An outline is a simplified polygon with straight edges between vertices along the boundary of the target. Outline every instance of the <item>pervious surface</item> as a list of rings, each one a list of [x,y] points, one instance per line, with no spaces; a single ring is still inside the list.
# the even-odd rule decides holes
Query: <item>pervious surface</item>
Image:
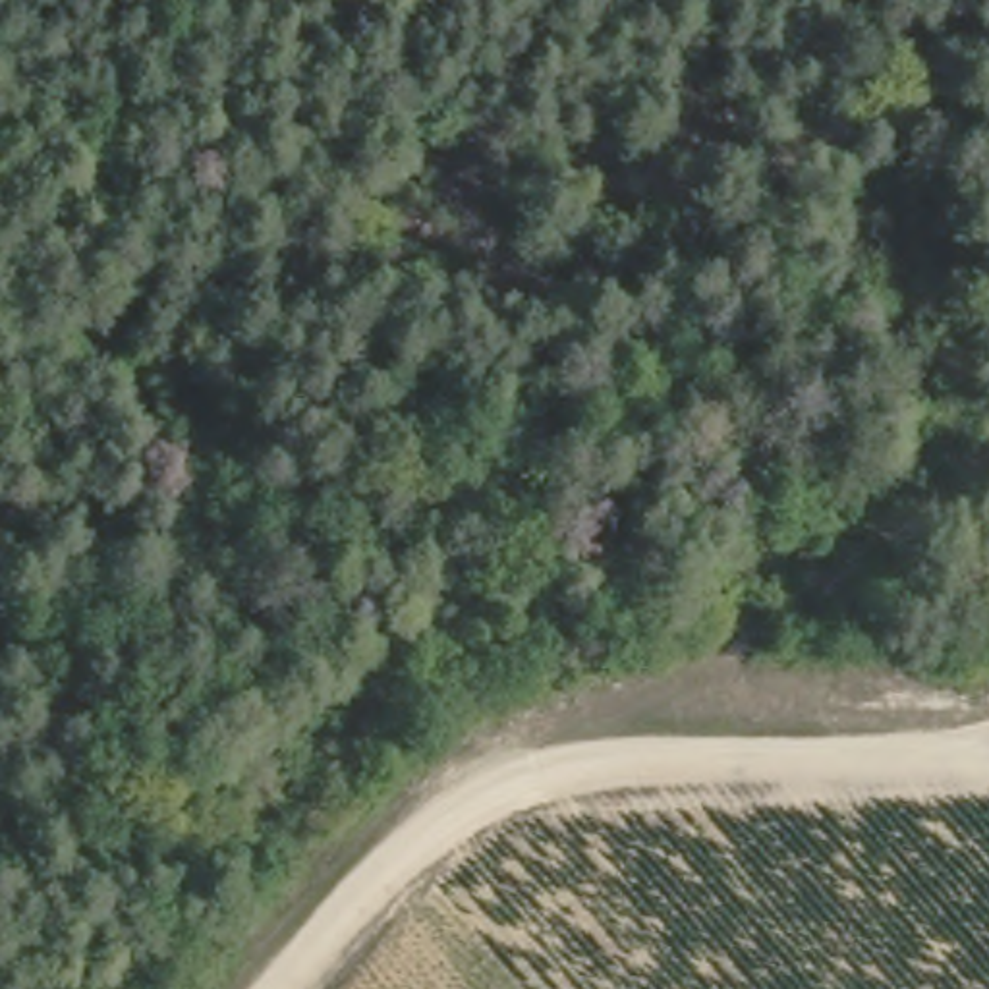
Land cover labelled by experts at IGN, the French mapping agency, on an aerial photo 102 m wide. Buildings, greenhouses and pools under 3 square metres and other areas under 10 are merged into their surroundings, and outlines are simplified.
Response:
[[[321,900],[305,927],[274,954],[274,962],[247,989],[321,989],[325,974],[336,970],[344,947],[379,916],[379,908],[398,889],[410,885],[410,877],[433,865],[440,854],[464,846],[475,831],[498,827],[502,819],[533,804],[568,792],[684,780],[850,777],[865,780],[881,800],[927,804],[989,796],[989,719],[958,730],[900,730],[858,738],[649,734],[568,742],[506,757],[471,757],[464,761],[471,769],[467,780],[437,792],[413,815],[406,815]]]

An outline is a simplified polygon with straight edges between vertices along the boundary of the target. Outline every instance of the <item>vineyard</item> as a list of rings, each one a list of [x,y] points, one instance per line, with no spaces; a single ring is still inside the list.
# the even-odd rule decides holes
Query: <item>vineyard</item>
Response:
[[[684,780],[568,792],[533,804],[502,819],[498,827],[475,831],[464,846],[440,854],[433,865],[410,877],[410,885],[398,889],[379,908],[379,916],[344,947],[336,970],[325,974],[321,989],[989,989],[989,796],[927,804],[881,800],[865,780],[850,777]]]

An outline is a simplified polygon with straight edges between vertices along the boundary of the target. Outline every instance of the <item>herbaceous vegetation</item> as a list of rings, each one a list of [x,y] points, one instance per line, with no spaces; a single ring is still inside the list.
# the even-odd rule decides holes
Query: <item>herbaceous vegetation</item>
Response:
[[[274,919],[259,916],[247,939],[247,958],[224,989],[247,989],[274,962],[274,954],[305,927],[321,900],[406,815],[413,815],[437,792],[467,780],[471,769],[464,761],[471,757],[506,757],[568,742],[649,734],[858,738],[900,730],[958,730],[989,719],[989,684],[966,695],[950,695],[916,688],[900,672],[885,664],[827,668],[823,661],[807,661],[804,668],[784,672],[765,653],[742,661],[726,649],[719,649],[703,664],[684,664],[664,680],[587,672],[572,688],[549,692],[541,707],[522,707],[506,715],[506,726],[498,734],[471,734],[452,761],[437,765],[425,780],[413,780],[359,834],[336,842],[309,869],[309,877],[282,900]]]

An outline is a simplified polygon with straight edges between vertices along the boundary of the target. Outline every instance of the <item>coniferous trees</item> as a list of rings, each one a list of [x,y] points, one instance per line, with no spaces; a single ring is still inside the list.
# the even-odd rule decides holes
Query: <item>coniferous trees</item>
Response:
[[[66,108],[50,104],[42,120],[19,127],[19,143],[0,155],[0,989],[155,989],[174,977],[182,947],[193,931],[232,912],[232,900],[216,885],[228,877],[232,858],[247,858],[251,869],[267,873],[267,846],[201,846],[193,834],[182,834],[178,846],[166,850],[166,865],[155,869],[155,892],[143,904],[143,919],[120,927],[116,885],[112,877],[97,873],[104,854],[97,846],[73,846],[73,831],[85,827],[89,784],[97,777],[89,757],[93,746],[85,738],[93,734],[100,703],[112,703],[127,688],[135,688],[139,661],[151,649],[178,653],[193,645],[193,614],[197,607],[209,610],[216,603],[216,591],[247,626],[263,630],[263,657],[251,668],[259,692],[236,699],[228,684],[209,688],[201,703],[193,703],[178,722],[166,726],[166,769],[174,777],[185,773],[185,765],[193,773],[212,773],[224,761],[224,780],[247,780],[251,788],[243,792],[243,800],[267,807],[282,800],[282,780],[305,777],[317,734],[332,742],[371,738],[386,753],[390,746],[406,749],[421,734],[421,699],[413,688],[417,680],[410,676],[410,661],[417,649],[410,637],[429,622],[444,637],[460,641],[460,649],[475,664],[510,649],[506,607],[487,599],[487,556],[495,541],[502,541],[525,518],[556,506],[556,537],[568,545],[572,572],[560,572],[541,595],[529,599],[529,618],[549,618],[560,630],[560,637],[568,637],[587,618],[591,591],[599,583],[607,583],[607,591],[626,610],[634,610],[645,599],[657,599],[661,583],[680,579],[680,560],[688,556],[688,545],[699,537],[699,522],[707,518],[707,510],[738,506],[746,491],[784,495],[788,467],[800,467],[811,487],[838,479],[865,483],[865,491],[877,498],[908,475],[919,444],[931,437],[935,425],[989,440],[989,0],[151,0],[147,27],[158,31],[158,39],[151,42],[147,58],[139,62],[127,42],[104,46],[104,58],[116,66],[120,100],[108,147],[97,155],[89,143],[81,143],[81,127],[66,116]],[[390,498],[382,491],[363,495],[355,487],[367,464],[394,456],[413,433],[421,440],[421,464],[440,464],[452,444],[452,433],[467,425],[471,413],[483,410],[495,390],[502,398],[518,398],[518,421],[487,479],[464,483],[448,498],[421,502],[398,498],[394,491]],[[332,541],[317,525],[317,498],[325,491],[344,502],[363,502],[379,537],[371,545]]]
[[[904,649],[912,664],[900,672],[916,688],[950,695],[966,695],[989,684],[989,491],[985,502],[927,502],[927,518],[935,529],[931,552],[943,560],[947,579],[935,599],[916,599],[912,622],[904,630]]]

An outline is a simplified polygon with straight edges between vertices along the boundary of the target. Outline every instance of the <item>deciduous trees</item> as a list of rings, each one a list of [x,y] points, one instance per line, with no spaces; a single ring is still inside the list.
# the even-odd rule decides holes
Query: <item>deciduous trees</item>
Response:
[[[317,498],[317,525],[332,541],[371,545],[379,537],[363,502],[344,502],[325,491]]]
[[[487,479],[518,421],[518,398],[502,398],[495,390],[483,410],[471,413],[467,425],[452,433],[452,444],[440,464],[421,464],[421,440],[413,433],[394,456],[367,464],[355,487],[363,495],[382,491],[390,498],[394,491],[398,498],[421,502],[448,498],[464,483]]]
[[[97,873],[112,877],[116,885],[120,927],[143,919],[143,904],[155,892],[155,869],[166,865],[166,850],[178,846],[182,834],[193,834],[201,846],[267,846],[267,873],[251,869],[247,858],[232,858],[228,877],[216,885],[232,900],[232,912],[193,931],[182,947],[174,977],[155,989],[224,989],[247,958],[247,939],[259,916],[274,919],[282,900],[309,877],[309,869],[336,842],[359,834],[413,780],[425,780],[437,765],[452,761],[471,734],[498,734],[506,726],[506,715],[522,707],[541,707],[549,692],[572,688],[587,672],[664,680],[684,664],[703,664],[719,649],[726,649],[742,661],[765,653],[784,672],[804,668],[807,661],[823,661],[827,668],[885,664],[900,672],[912,664],[904,649],[904,630],[912,622],[916,599],[935,599],[947,579],[943,560],[931,552],[935,529],[927,518],[927,502],[985,502],[989,491],[989,440],[935,425],[931,437],[919,444],[908,475],[877,498],[865,491],[865,483],[838,479],[811,487],[800,467],[788,467],[784,495],[746,491],[738,506],[707,510],[707,518],[699,522],[699,537],[688,545],[688,556],[680,560],[680,579],[661,583],[657,599],[645,599],[634,610],[626,610],[607,591],[607,583],[599,583],[591,591],[587,618],[568,637],[560,637],[560,630],[549,618],[529,618],[529,599],[541,595],[560,572],[572,572],[568,545],[556,537],[556,506],[525,518],[502,541],[495,541],[487,556],[487,599],[506,607],[510,649],[475,664],[460,649],[460,641],[444,637],[429,622],[410,637],[417,649],[410,661],[410,676],[417,680],[413,688],[421,699],[421,734],[406,749],[390,746],[386,753],[371,738],[332,742],[317,734],[305,777],[282,780],[282,800],[267,807],[243,800],[243,792],[251,788],[247,780],[224,780],[224,761],[212,773],[193,773],[185,765],[185,773],[174,777],[166,769],[166,726],[178,722],[193,703],[201,703],[209,688],[228,684],[236,699],[259,692],[251,668],[263,657],[263,630],[247,626],[216,591],[216,603],[209,610],[197,607],[193,614],[193,645],[178,653],[151,649],[139,661],[135,688],[127,688],[112,703],[100,703],[93,734],[85,738],[93,746],[89,757],[97,777],[89,784],[85,827],[73,831],[73,846],[97,846],[104,854]]]
[[[66,108],[66,116],[81,127],[81,143],[89,143],[97,155],[108,147],[120,100],[116,66],[104,58],[104,46],[127,42],[139,62],[147,58],[151,42],[158,39],[158,31],[147,27],[151,0],[0,0],[0,155],[19,143],[19,127],[42,120],[50,104]]]

